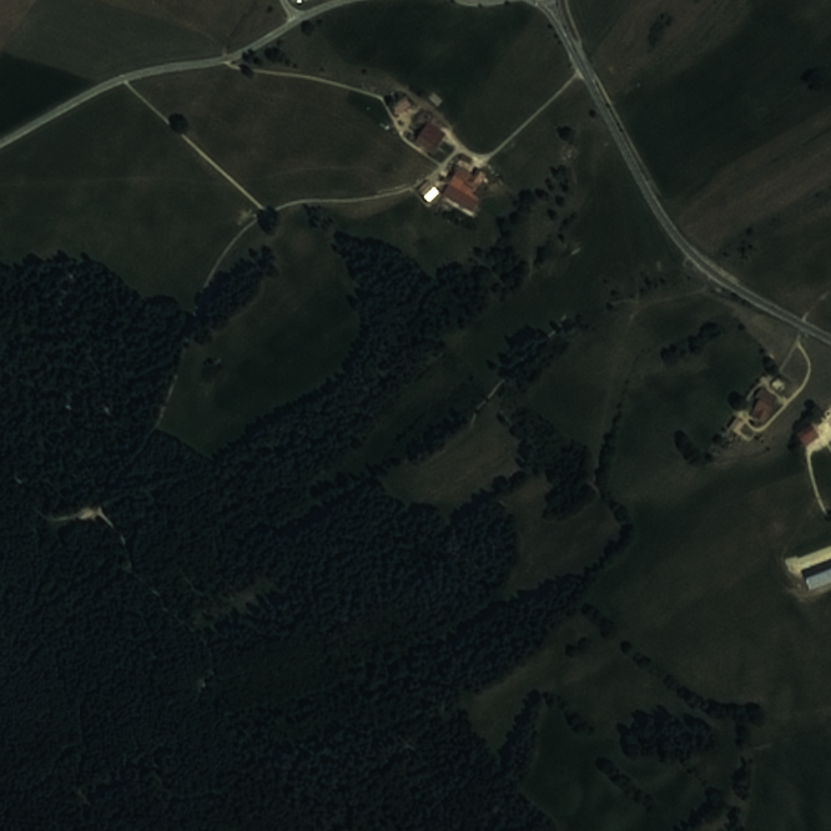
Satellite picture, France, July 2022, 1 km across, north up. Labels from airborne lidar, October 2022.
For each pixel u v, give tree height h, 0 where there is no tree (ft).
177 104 0
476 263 23
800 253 0
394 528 77
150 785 80
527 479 64
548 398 0
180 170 0
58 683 73
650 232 0
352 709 31
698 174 0
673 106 0
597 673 0
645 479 0
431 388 0
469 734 60
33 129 0
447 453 0
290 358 0
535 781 0
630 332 0
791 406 0
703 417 0
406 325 35
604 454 40
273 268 82
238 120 0
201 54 0
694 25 0
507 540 113
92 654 67
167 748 44
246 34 0
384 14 0
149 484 93
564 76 0
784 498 0
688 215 0
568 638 0
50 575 64
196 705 66
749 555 0
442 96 0
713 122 0
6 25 0
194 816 57
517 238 0
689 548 0
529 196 52
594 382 0
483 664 105
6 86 0
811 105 0
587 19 0
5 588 18
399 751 102
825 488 0
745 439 0
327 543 111
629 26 0
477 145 0
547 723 0
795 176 0
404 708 43
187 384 0
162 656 72
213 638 66
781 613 0
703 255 0
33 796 83
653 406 0
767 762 0
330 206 0
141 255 0
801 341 0
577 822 0
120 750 60
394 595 104
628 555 0
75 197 0
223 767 51
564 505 67
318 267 0
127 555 32
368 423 113
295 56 0
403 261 64
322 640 33
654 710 0
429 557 37
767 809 0
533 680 0
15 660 65
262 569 95
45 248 0
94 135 0
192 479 68
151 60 0
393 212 0
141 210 0
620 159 0
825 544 0
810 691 0
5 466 60
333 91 0
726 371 0
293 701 65
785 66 0
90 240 0
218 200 0
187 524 42
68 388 82
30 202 0
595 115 46
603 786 0
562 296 0
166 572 78
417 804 85
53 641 75
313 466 110
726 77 0
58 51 0
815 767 0
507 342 0
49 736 72
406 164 0
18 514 64
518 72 0
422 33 0
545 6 0
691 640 0
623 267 0
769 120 0
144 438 68
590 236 0
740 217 0
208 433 0
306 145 0
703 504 0
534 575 0
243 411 0
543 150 0
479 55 0
